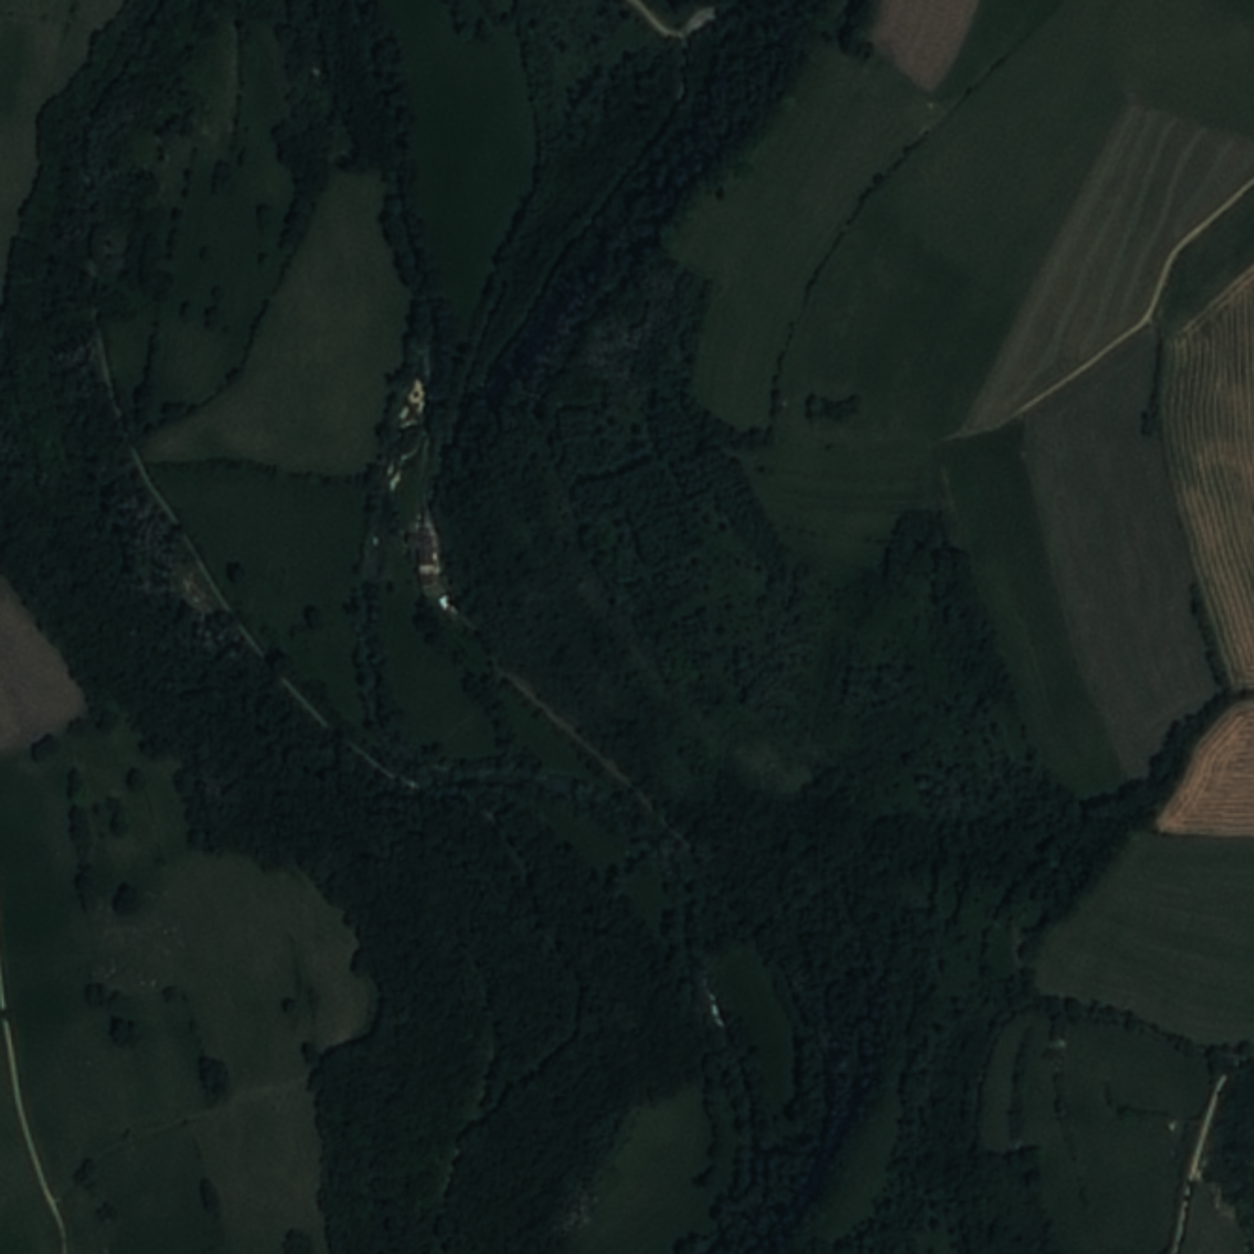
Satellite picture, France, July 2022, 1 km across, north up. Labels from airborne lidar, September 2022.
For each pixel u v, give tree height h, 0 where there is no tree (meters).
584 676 7
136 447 13
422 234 14
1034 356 0
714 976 8
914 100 0
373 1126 18
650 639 13
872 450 0
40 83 0
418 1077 17
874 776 11
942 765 7
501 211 0
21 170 0
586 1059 15
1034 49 0
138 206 15
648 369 18
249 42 6
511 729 7
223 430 0
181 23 25
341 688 0
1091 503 0
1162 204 0
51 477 17
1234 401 0
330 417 0
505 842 20
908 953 17
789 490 0
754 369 0
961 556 23
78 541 21
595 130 21
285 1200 0
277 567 0
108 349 8
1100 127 0
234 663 21
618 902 16
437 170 0
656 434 11
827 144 0
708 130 23
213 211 0
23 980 0
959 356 0
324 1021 0
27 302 25
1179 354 0
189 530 8
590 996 17
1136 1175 0
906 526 9
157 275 19
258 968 0
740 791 12
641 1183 0
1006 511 0
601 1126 18
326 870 24
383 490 10
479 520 7
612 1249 0
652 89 22
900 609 0
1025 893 20
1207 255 0
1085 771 0
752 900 12
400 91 17
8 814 0
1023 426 0
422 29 0
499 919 14
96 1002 7
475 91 0
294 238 12
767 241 0
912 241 0
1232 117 0
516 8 9
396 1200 15
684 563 7
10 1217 0
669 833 9
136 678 22
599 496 21
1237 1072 11
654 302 17
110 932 0
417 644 0
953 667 6
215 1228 0
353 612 19
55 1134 0
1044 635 0
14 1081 0
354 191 0
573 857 19
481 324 6
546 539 6
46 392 22
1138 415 0
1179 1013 0
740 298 0
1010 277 0
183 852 0
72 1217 0
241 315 0
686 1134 0
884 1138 0
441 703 0
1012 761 9
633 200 7
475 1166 19
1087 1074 0
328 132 20
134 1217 0
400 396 10
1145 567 0
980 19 0
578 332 26
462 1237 17
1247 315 0
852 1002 23
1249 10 0
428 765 12
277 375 0
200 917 0
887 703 14
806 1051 20
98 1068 0
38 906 0
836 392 0
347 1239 15
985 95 0
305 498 0
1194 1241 0
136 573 35
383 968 16
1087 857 15
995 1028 8
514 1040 17
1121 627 0
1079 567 0
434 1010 18
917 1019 12
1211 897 0
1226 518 0
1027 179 0
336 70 24
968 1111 10
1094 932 0
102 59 23
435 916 18
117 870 0
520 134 0
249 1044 0
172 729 20
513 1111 20
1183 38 0
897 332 0
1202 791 0
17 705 0
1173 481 0
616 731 5
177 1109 0
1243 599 0
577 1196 20
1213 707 11
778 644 7
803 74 17
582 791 12
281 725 16
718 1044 20
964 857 14
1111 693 0
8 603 0
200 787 11
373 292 0
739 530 11
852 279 0
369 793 19
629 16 15
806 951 6
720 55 17
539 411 8
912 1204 6
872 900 12
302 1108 0
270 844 19
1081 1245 0
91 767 0
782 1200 28
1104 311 0
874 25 18
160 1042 0
